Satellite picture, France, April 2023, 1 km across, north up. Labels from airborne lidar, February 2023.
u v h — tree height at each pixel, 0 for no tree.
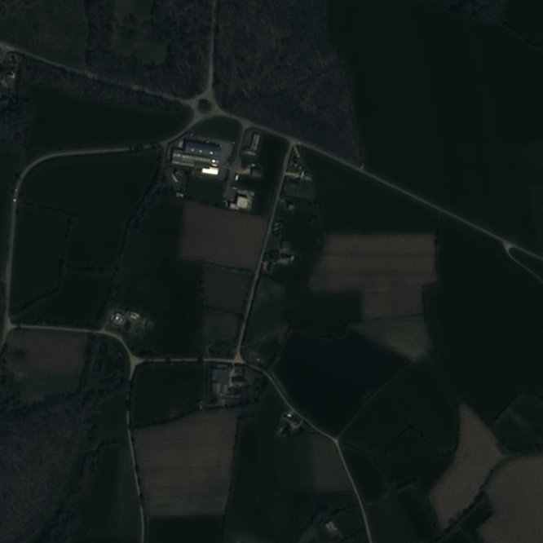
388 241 0
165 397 0
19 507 21
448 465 0
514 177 0
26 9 8
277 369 0
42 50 10
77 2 9
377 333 0
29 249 0
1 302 15
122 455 0
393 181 0
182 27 21
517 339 0
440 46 0
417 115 0
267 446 0
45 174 0
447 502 0
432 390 0
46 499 20
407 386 0
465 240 0
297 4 20
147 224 0
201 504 0
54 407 23
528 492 0
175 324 0
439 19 0
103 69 19
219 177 0
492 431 7
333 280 0
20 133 15
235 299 0
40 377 0
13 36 10
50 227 0
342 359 0
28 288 0
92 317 0
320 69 20
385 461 0
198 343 0
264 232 0
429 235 0
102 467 0
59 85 17
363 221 0
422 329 0
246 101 20
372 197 0
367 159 0
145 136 0
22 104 15
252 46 21
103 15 19
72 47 8
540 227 0
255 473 0
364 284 0
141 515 0
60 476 18
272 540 0
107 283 0
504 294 0
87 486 0
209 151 0
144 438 0
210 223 0
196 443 0
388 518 0
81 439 15
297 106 18
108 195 0
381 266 0
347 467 0
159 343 0
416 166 0
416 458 0
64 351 0
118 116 0
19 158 0
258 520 0
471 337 0
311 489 0
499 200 0
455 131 0
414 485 9
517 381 0
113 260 0
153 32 15
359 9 0
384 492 0
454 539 0
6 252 0
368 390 0
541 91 0
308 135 15
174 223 0
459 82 0
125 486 0
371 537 0
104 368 0
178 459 0
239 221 0
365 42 0
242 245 0
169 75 20
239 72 20
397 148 0
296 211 0
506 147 0
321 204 0
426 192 0
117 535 0
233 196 0
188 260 0
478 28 0
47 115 0
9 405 15
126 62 17
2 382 15
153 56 0
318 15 16
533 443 0
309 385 0
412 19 0
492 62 0
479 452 0
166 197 20
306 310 0
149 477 0
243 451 0
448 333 0
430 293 0
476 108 0
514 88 0
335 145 14
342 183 0
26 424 22
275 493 0
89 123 0
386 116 0
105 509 0
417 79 0
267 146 0
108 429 0
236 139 0
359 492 0
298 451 0
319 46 18
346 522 0
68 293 0
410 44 0
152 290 0
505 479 0
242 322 9
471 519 0
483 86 0
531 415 0
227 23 17
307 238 0
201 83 15
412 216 0
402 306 0
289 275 0
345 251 0
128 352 0
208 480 0
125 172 0
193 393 0
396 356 0
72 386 0
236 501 0
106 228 0
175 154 0
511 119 0
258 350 0
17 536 16
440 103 0
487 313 0
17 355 0
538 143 0
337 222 0
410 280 0
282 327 0
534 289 0
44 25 6
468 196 0
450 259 0
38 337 0
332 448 0
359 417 0
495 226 0
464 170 0
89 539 0
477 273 0
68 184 0
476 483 0
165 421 8
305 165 0
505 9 0
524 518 0
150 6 0
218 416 0
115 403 0
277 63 7
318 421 0
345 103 15
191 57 20
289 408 0
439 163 0
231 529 0
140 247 0
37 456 21
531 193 0
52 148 0
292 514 0
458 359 0
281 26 16
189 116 0
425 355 0
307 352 0
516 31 13
